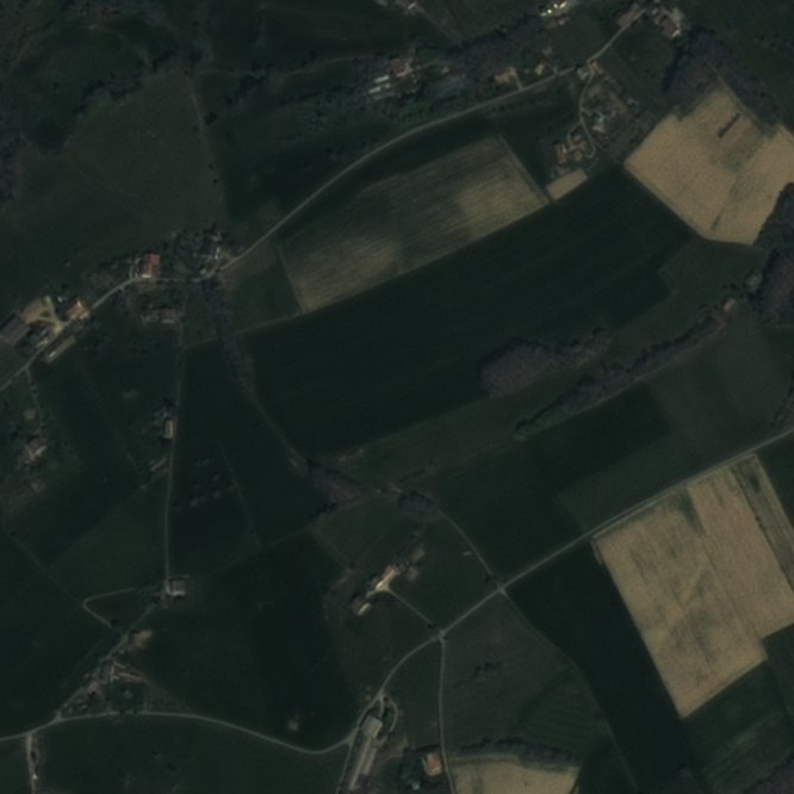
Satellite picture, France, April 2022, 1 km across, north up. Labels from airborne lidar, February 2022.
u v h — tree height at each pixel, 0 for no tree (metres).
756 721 0
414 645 0
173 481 0
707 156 0
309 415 0
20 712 0
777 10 0
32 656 0
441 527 0
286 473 0
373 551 0
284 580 0
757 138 0
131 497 0
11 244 0
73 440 0
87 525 0
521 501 0
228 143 0
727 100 0
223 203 0
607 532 0
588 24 0
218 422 0
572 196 0
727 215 0
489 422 0
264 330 0
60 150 0
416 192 0
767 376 0
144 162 0
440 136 0
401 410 0
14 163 21
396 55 0
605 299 0
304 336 0
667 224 0
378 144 8
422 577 0
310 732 0
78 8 19
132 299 0
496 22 0
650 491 0
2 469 0
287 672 0
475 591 0
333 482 20
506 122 0
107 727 0
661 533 0
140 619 0
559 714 0
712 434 0
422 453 0
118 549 0
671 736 0
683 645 0
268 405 0
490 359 0
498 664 0
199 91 0
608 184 0
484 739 0
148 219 0
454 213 0
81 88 0
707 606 0
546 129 0
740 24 0
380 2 0
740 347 0
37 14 0
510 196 0
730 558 0
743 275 0
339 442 0
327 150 0
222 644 0
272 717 0
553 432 0
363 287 0
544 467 0
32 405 0
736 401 0
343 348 0
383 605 10
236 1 0
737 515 0
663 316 0
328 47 0
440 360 0
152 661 0
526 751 22
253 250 0
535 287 0
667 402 0
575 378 0
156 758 7
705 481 0
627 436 0
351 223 0
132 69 0
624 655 0
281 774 0
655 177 0
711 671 0
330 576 0
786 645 0
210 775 0
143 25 0
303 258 0
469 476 0
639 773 0
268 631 0
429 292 0
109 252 0
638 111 6
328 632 0
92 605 0
